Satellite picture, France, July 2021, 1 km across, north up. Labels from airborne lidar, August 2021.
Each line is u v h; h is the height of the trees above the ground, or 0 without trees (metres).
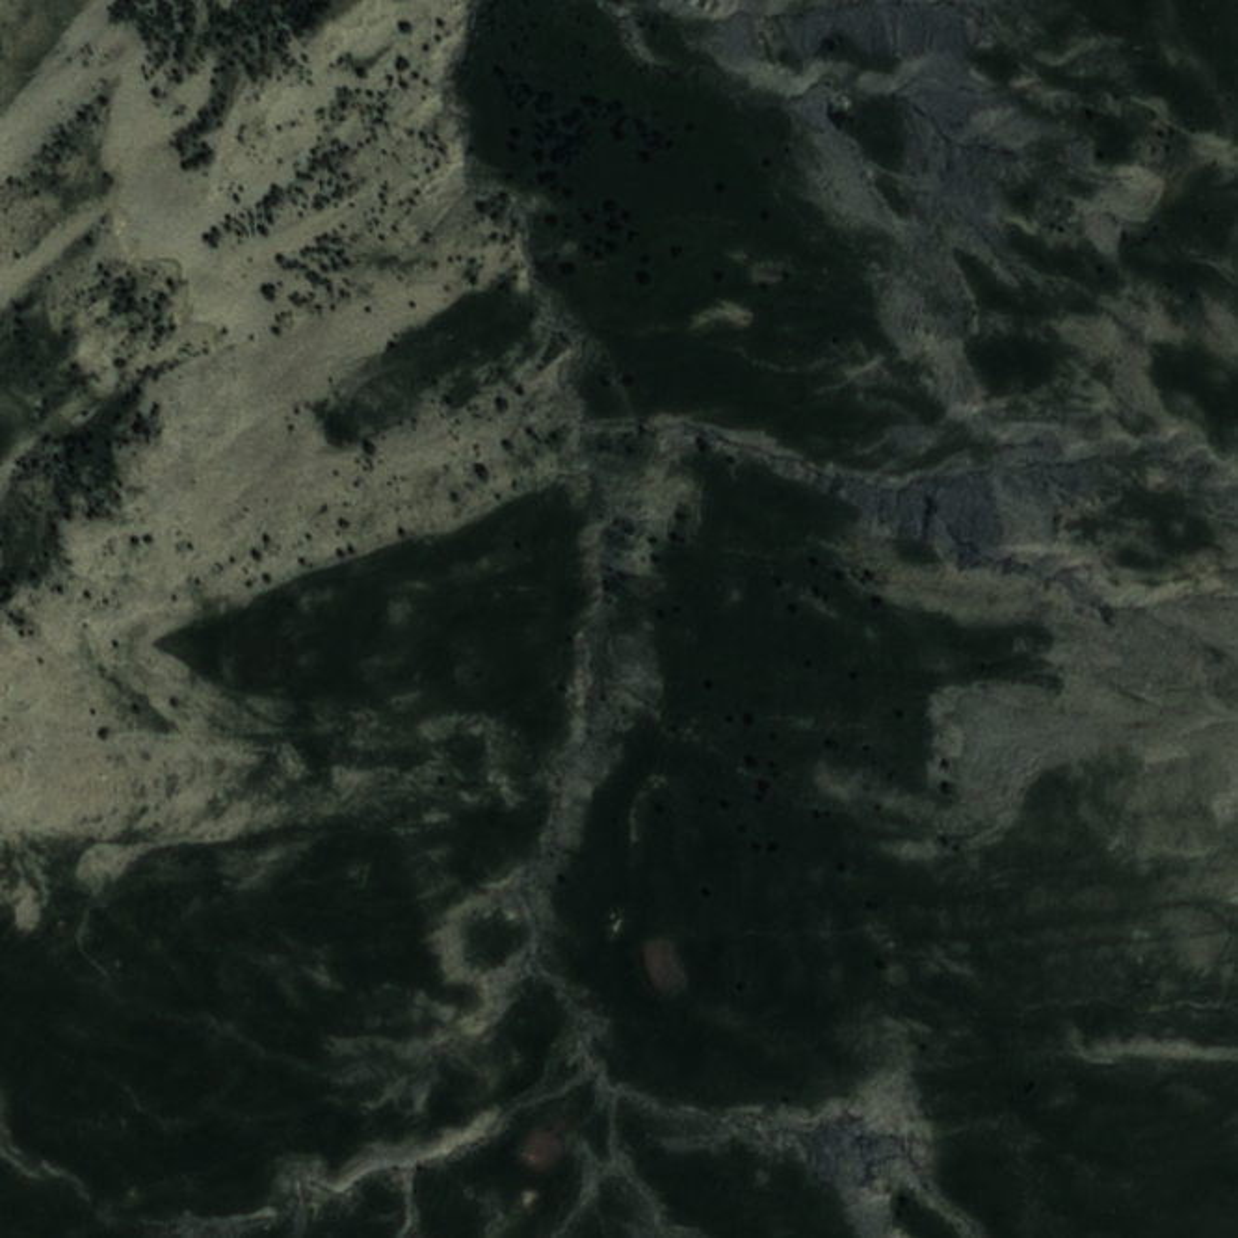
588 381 0
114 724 0
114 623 0
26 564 0
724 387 0
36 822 0
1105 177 0
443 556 0
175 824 0
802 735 0
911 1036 0
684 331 0
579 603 0
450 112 0
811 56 0
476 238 0
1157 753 0
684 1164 0
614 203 11
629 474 0
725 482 0
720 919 0
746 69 0
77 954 0
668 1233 0
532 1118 0
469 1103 0
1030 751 0
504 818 0
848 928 0
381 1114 0
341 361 0
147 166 0
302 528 0
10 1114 0
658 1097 0
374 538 0
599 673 0
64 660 0
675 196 0
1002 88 0
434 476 0
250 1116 0
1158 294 0
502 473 0
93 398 0
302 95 0
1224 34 0
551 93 14
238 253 0
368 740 0
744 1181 0
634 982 0
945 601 0
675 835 0
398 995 0
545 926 0
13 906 0
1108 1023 0
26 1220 0
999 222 0
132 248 0
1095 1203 0
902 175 0
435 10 0
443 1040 0
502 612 0
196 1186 0
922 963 0
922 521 0
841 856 0
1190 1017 0
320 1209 0
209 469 0
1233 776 0
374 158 0
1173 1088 0
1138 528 0
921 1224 0
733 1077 0
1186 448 0
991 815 0
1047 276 0
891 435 0
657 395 0
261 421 0
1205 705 0
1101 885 0
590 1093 0
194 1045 0
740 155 0
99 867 0
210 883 0
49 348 0
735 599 0
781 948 0
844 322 0
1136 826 0
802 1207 0
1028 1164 0
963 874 0
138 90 0
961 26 0
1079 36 0
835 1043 0
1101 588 0
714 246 0
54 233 0
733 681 0
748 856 0
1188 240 0
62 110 0
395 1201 0
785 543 0
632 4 0
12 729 0
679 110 0
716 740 0
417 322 0
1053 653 0
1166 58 0
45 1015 0
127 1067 0
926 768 0
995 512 0
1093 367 0
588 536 0
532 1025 0
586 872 0
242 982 0
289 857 0
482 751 0
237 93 0
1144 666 0
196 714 0
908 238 0
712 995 0
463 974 0
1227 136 0
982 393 0
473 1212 0
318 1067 0
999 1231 0
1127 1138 0
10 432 0
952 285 0
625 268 0
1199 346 0
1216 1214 0
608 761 0
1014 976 0
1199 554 0
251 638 0
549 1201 0
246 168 0
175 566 0
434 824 0
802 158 0
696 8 0
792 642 0
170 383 0
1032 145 0
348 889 0
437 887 0
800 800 0
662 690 0
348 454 0
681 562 0
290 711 0
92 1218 0
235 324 0
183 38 6
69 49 0
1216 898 0
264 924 0
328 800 0
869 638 0
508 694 0
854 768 0
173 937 0
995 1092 0
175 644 0
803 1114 0
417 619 0
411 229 0
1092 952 0
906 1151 0
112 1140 0
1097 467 0
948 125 0
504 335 0
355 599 0
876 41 0
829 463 0
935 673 0
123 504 0
